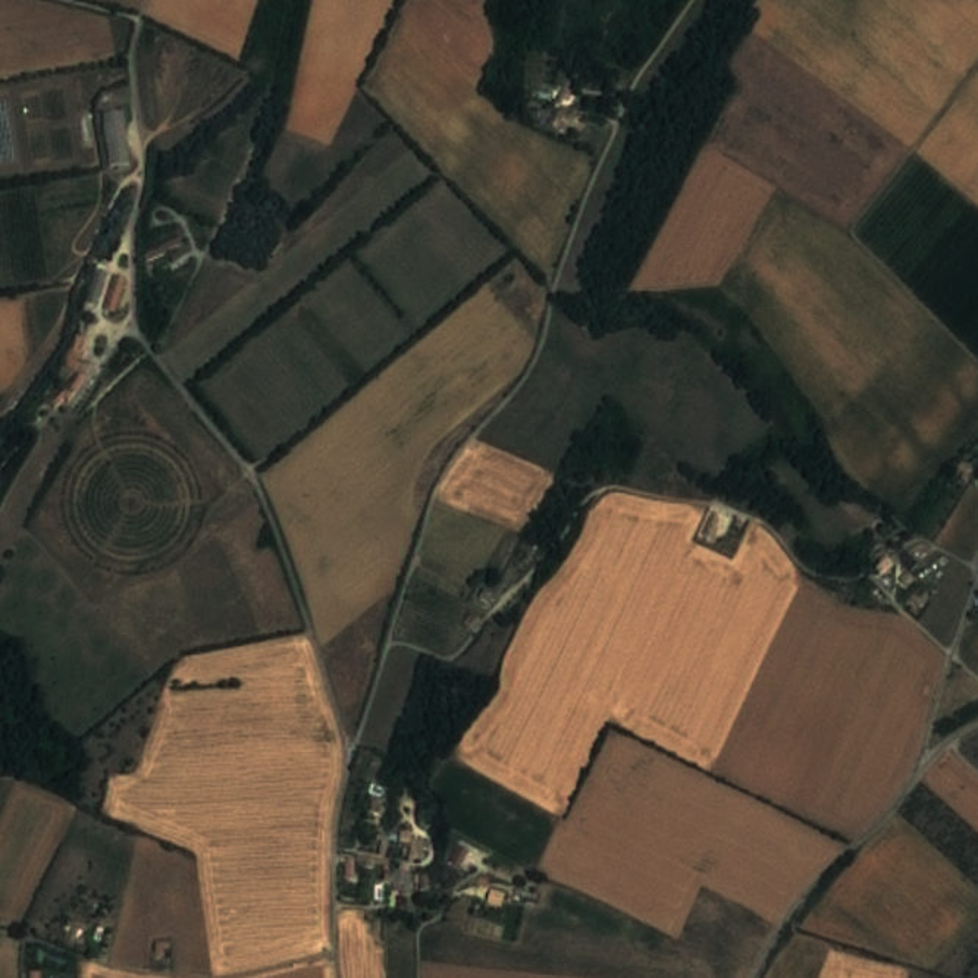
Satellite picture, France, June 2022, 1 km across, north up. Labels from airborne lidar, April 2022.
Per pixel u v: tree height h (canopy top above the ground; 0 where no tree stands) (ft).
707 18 41
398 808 18
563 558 31
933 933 0
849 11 0
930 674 0
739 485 47
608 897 0
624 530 0
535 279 37
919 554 0
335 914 0
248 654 0
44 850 0
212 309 0
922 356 0
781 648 0
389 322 0
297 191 0
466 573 0
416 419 0
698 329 23
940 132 0
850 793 0
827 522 0
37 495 20
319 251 0
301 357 0
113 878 0
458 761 0
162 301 50
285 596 0
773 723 0
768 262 0
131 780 0
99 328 0
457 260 0
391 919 23
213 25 0
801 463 68
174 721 0
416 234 0
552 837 0
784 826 0
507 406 0
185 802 0
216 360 43
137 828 39
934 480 23
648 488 0
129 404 0
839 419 0
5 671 51
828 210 0
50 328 0
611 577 0
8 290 45
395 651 0
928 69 0
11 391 0
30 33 0
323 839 0
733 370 51
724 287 0
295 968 0
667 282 0
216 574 0
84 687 0
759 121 0
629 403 0
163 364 0
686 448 0
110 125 0
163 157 38
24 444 49
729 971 0
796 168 0
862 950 22
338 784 0
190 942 0
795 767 0
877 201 0
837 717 0
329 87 0
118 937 0
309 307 0
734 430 0
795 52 0
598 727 0
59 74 34
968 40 0
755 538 0
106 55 0
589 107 69
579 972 0
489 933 0
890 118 0
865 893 0
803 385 0
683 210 0
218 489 0
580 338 0
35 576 0
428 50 0
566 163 0
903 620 0
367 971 0
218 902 0
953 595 0
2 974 0
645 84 0
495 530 0
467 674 45
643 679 0
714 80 25
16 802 0
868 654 0
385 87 0
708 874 0
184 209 38
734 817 0
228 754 0
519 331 0
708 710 0
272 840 0
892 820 0
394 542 0
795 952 0
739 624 0
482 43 0
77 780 28
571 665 0
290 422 0
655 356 0
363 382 28
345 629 0
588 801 0
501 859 0
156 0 0
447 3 0
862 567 40
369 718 0
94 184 0
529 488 0
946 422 0
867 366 0
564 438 0
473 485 0
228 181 0
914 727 0
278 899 0
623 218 20
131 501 0
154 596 0
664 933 0
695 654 0
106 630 0
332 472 0
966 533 0
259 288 0
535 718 0
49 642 0
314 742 0
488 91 33
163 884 0
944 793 0
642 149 45
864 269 0
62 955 18
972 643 0
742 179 0
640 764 0
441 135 0
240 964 0
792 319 0
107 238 68
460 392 0
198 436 0
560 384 0
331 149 0
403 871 0
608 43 24
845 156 0
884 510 36
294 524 0
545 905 0
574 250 0
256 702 0
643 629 0
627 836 0
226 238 42
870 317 0
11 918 0
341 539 0
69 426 0
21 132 0
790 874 0
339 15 0
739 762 0
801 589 0
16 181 46
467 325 0
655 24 26
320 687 0
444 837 36
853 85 0
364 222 0
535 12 45
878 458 0
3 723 54
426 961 0
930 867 0
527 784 0
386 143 0
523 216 0
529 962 0
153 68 0
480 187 0
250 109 48
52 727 42
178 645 0
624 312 35
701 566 0
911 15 0
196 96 0
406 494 0
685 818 0
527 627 0
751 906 0
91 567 0
